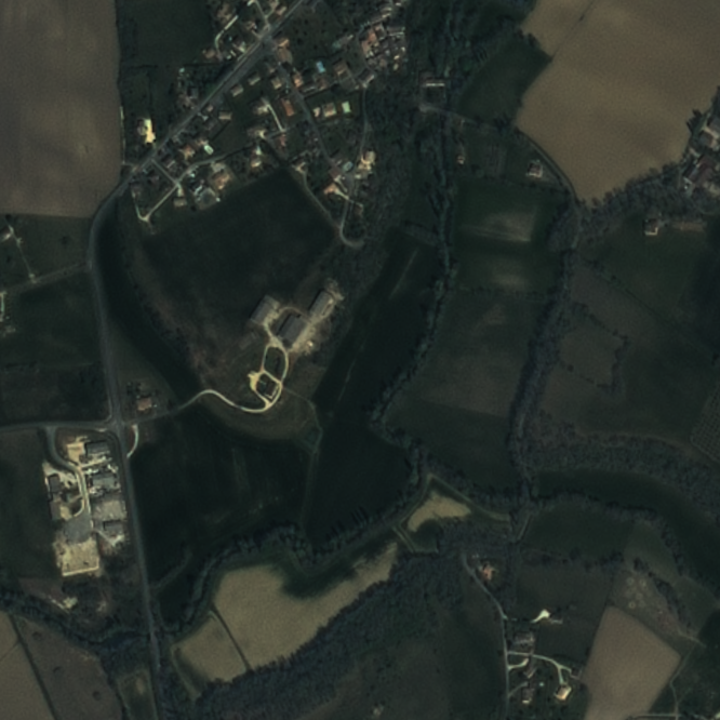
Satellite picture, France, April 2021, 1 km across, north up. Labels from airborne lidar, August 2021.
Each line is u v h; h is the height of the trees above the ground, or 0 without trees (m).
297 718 15
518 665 0
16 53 0
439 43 22
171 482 0
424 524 0
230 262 0
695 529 0
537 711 6
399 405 15
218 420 0
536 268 0
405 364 0
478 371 0
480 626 0
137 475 0
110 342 0
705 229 0
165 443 0
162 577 8
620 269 0
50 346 0
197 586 24
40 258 0
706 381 0
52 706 0
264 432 0
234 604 0
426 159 20
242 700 16
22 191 0
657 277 0
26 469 0
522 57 0
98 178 0
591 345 0
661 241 0
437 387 0
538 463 17
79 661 0
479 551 16
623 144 0
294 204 0
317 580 0
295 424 0
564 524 0
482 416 0
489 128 21
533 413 13
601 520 0
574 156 0
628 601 0
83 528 0
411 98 15
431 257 0
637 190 17
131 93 7
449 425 0
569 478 0
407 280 0
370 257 15
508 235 0
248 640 0
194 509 0
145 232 0
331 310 0
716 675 0
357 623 21
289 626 0
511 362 0
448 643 0
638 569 11
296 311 0
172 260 0
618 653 0
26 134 0
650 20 0
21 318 0
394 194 20
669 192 19
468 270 0
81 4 0
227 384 0
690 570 15
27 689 0
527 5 24
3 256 0
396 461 0
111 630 17
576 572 0
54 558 0
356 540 10
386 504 0
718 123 0
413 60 18
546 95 0
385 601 17
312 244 0
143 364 0
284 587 0
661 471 20
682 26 0
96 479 0
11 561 0
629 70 0
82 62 0
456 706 0
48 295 0
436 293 16
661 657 0
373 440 0
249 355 0
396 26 0
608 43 0
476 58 14
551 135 0
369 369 0
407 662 0
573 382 0
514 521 12
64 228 0
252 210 0
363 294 13
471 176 7
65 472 0
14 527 0
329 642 25
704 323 0
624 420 0
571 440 9
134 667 22
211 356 0
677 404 0
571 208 14
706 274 0
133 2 6
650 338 0
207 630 0
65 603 0
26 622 0
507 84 0
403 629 6
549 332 18
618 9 0
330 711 0
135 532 0
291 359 0
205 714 18
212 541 0
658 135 0
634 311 0
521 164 0
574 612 0
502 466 0
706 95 0
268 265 0
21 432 0
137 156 10
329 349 16
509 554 15
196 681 0
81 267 8
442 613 0
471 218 0
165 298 0
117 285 0
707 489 18
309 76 9
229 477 0
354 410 0
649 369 0
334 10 8
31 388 0
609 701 0
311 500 0
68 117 0
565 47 0
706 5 0
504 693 7
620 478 0
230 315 0
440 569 16
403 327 0
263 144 9
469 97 0
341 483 0
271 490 0
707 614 0
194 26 0
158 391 6
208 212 0
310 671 17
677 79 0
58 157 0
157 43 0
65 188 0
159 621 19
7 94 0
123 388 0
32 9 0
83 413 0
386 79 10
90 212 0
